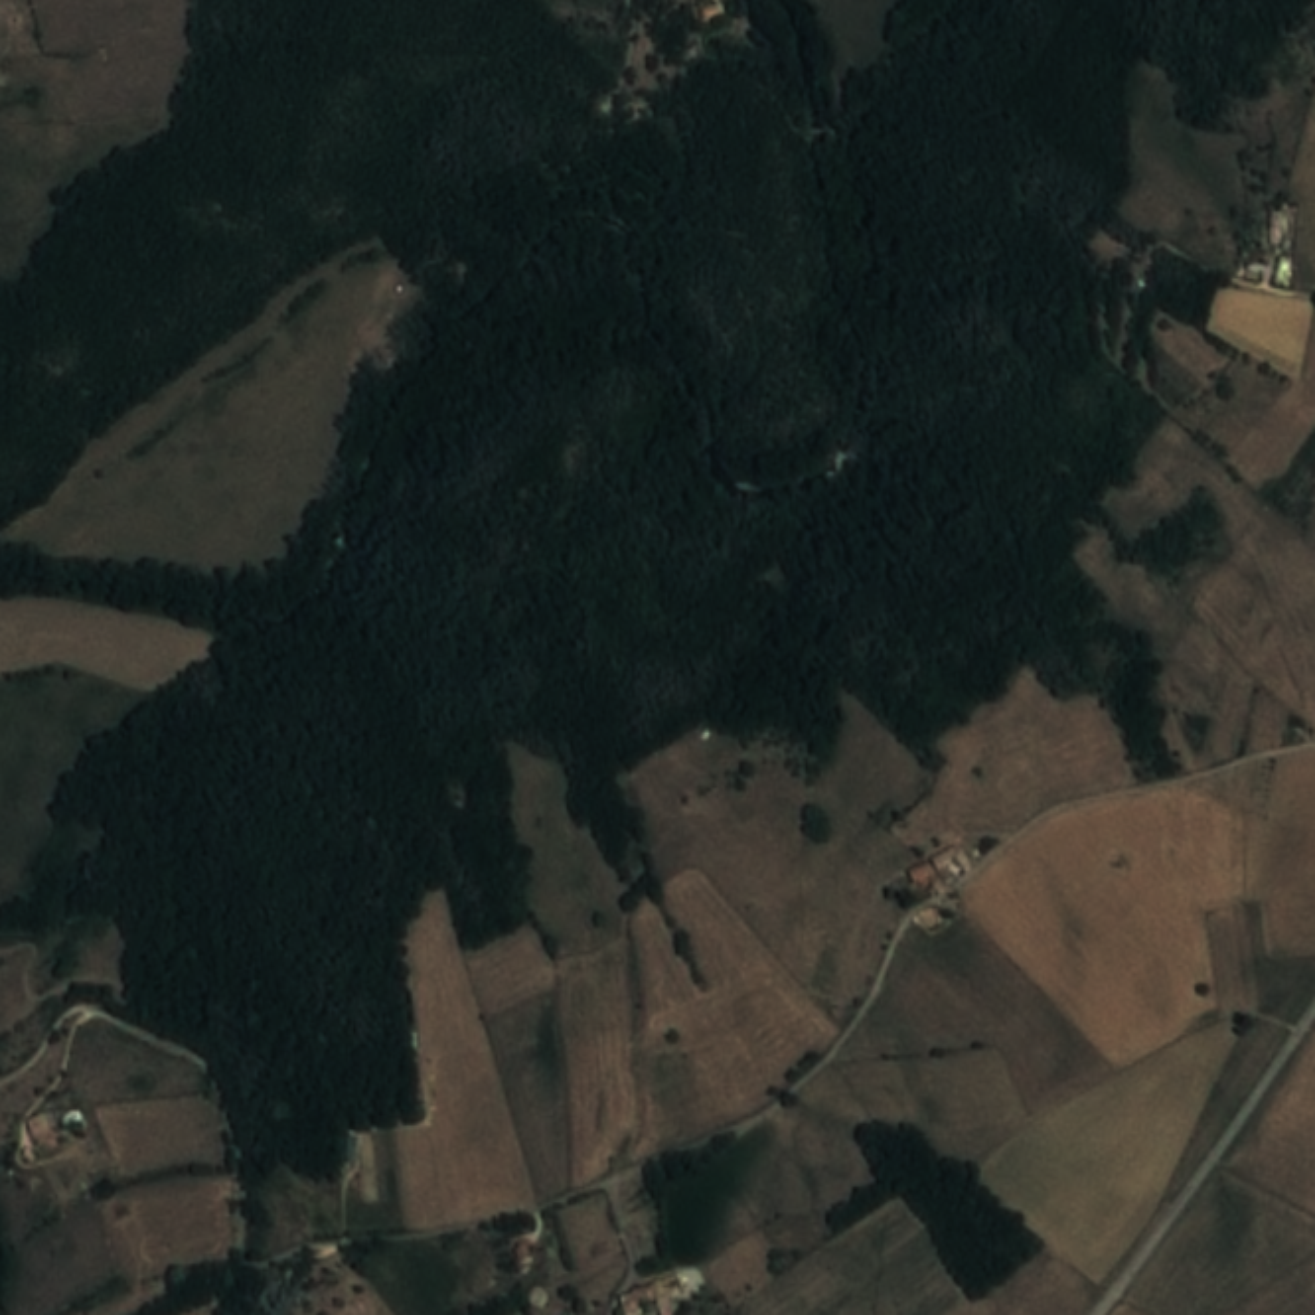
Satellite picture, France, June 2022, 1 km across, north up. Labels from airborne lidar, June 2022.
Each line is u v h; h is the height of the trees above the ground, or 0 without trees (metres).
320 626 12
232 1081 17
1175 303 11
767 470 25
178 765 15
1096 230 13
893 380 23
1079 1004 0
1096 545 0
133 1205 0
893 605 12
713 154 12
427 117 10
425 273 10
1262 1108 0
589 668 9
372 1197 0
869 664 7
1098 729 0
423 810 14
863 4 0
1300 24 9
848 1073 0
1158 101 0
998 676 11
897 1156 17
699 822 0
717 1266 0
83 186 14
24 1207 0
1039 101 7
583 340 22
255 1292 11
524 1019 0
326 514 17
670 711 9
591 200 20
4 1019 0
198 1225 0
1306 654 0
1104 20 9
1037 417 7
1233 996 0
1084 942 0
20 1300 0
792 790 0
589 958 0
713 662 11
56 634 0
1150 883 0
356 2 11
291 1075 16
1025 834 0
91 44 0
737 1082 0
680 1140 0
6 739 0
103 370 8
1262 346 0
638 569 13
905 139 12
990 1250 10
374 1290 0
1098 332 11
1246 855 0
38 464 9
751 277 12
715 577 10
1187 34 6
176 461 0
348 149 7
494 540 9
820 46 25
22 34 0
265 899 12
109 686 0
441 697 22
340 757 13
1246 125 0
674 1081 0
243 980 14
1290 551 0
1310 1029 0
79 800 14
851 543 14
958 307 19
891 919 0
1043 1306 0
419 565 19
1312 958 0
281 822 12
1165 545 9
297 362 0
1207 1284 0
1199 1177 0
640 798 0
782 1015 0
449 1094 0
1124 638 9
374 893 14
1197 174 0
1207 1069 0
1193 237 0
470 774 7
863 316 25
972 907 0
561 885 0
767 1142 0
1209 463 0
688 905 0
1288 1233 0
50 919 6
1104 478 10
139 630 0
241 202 9
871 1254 0
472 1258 0
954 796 0
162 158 13
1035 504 8
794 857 0
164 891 16
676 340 21
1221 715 0
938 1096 0
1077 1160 0
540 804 0
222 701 11
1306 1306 0
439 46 7
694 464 27
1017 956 0
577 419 10
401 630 19
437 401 11
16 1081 0
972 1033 0
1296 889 0
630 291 20
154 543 0
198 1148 0
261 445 0
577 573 15
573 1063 0
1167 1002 0
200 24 8
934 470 16
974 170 12
